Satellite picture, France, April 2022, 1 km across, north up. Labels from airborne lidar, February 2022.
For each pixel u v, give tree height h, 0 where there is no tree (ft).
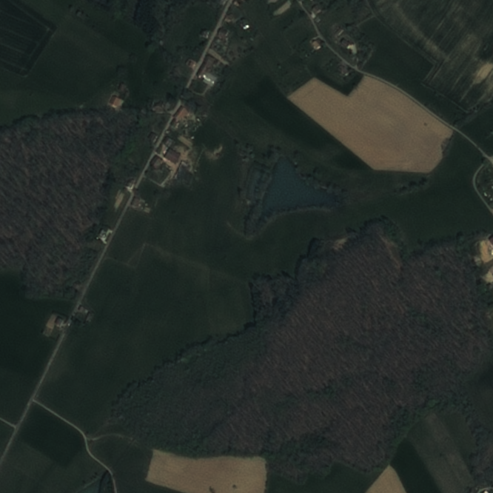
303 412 96
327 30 0
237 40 0
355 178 0
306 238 0
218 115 0
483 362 54
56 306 0
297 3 24
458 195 0
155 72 0
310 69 0
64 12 0
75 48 0
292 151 0
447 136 0
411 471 0
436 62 0
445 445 0
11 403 0
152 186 0
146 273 0
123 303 0
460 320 92
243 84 0
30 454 0
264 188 68
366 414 88
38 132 83
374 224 44
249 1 33
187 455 67
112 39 0
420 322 84
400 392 84
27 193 81
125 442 0
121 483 0
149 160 0
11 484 0
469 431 0
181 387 59
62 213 107
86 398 0
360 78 0
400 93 0
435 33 0
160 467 0
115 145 91
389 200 0
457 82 0
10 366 0
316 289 97
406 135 0
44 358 0
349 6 24
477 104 0
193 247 0
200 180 0
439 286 89
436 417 0
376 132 0
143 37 0
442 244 62
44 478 0
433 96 0
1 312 0
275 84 0
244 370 63
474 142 0
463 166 0
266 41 0
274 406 73
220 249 0
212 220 0
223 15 0
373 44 26
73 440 0
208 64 0
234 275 0
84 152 98
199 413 64
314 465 91
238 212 0
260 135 0
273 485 0
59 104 0
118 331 0
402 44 0
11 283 0
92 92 0
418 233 0
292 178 0
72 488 0
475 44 0
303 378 83
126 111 66
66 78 0
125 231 0
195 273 0
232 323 0
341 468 0
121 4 69
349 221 0
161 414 53
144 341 0
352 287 78
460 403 75
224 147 0
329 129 0
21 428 0
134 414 65
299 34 0
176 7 31
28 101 0
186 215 0
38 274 96
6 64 0
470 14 0
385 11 0
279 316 80
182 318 0
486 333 87
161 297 0
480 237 53
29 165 97
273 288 61
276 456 59
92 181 96
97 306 0
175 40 0
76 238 110
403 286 92
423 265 103
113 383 0
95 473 0
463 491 0
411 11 0
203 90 0
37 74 0
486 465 0
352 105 0
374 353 77
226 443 94
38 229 104
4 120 0
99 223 87
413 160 0
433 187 0
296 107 0
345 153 0
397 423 85
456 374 74
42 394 0
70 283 41
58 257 108
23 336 0
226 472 0
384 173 0
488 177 0
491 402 0
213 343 65
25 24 0
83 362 0
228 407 65
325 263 85
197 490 0
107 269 0
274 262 0
